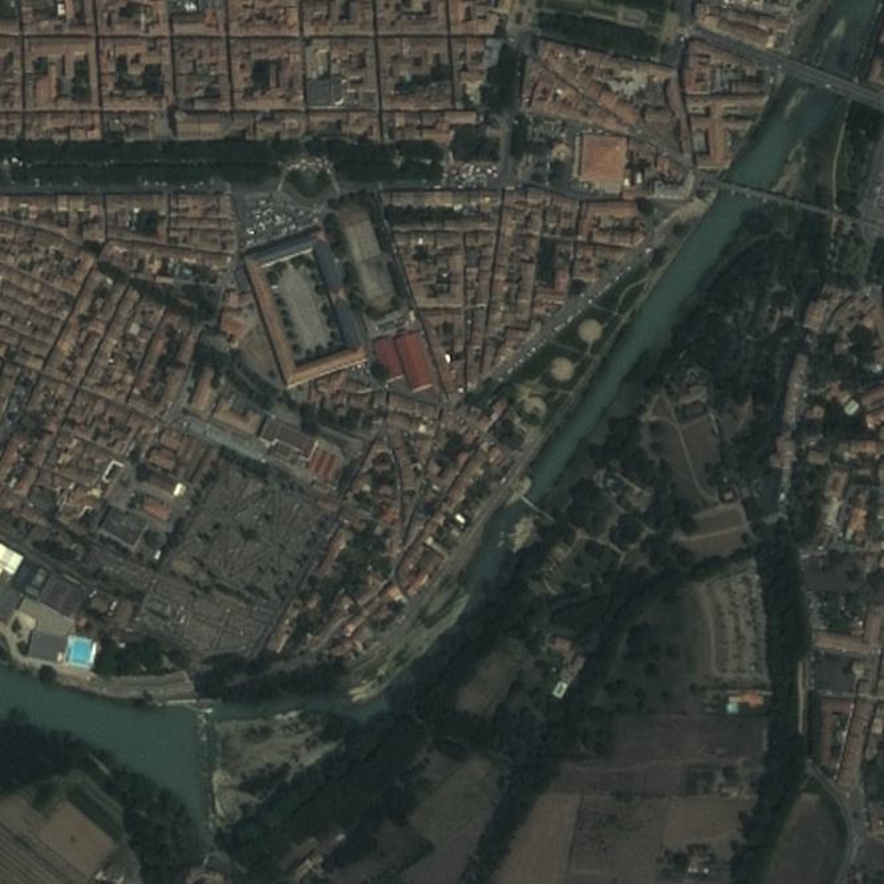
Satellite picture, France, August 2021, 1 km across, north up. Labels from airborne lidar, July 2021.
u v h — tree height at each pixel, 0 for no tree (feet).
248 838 57
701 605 0
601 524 48
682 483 0
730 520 0
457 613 0
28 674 51
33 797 0
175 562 0
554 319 0
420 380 0
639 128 0
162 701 0
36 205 0
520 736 45
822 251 63
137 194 0
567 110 0
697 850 21
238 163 48
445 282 19
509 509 0
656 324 0
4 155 63
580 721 36
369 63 0
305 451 0
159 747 0
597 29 74
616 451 55
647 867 0
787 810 84
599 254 0
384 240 40
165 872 72
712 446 0
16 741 104
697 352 51
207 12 0
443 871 0
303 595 29
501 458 0
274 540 0
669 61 0
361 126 0
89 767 23
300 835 85
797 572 76
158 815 72
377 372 58
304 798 75
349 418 38
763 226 94
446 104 0
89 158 51
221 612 0
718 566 65
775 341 36
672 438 0
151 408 0
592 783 0
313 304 0
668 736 0
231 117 0
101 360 0
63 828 0
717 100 0
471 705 0
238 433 0
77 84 36
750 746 0
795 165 0
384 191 0
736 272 41
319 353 33
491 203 0
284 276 0
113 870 0
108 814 0
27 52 0
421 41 0
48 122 0
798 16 0
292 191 0
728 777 46
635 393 0
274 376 18
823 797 0
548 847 0
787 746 94
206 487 50
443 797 0
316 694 65
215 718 0
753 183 0
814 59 0
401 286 31
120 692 0
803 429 39
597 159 0
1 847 0
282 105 0
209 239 0
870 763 20
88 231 0
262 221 0
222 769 0
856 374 21
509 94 47
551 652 25
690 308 0
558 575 0
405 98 0
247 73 0
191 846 41
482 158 52
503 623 64
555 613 28
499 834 52
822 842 0
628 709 24
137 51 0
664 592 85
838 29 0
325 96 0
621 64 0
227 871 0
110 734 0
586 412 0
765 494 0
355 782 95
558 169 40
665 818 0
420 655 0
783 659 92
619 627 70
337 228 31
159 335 0
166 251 0
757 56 0
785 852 0
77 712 0
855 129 26
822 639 0
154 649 71
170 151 47
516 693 26
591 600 38
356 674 0
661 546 80
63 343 0
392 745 100
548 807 0
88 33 0
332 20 0
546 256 32
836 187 0
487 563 0
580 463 0
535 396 0
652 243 0
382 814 48
